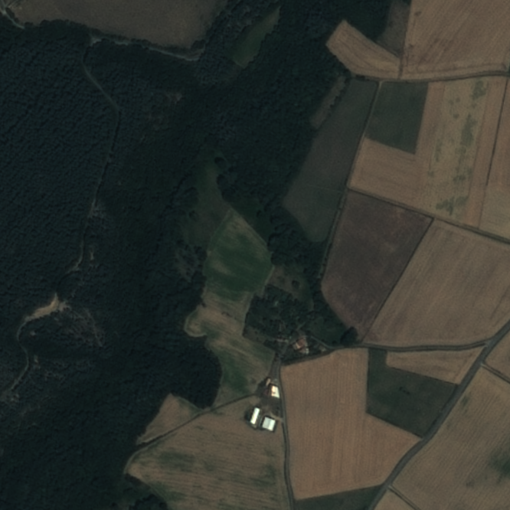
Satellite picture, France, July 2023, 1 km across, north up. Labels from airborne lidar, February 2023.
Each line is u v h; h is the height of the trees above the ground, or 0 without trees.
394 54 0
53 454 15
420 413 0
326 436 0
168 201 10
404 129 0
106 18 0
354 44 0
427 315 0
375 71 0
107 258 18
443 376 0
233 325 0
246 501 0
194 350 9
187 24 0
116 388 22
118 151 19
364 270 0
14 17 9
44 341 23
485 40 0
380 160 0
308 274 15
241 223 0
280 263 14
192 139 33
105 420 19
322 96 12
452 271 0
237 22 24
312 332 7
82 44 14
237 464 0
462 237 0
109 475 19
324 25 27
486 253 0
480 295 0
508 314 0
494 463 0
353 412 0
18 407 17
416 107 0
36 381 21
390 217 0
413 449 0
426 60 0
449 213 0
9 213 20
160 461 0
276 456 0
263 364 0
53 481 10
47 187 24
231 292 0
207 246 0
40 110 22
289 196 0
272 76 22
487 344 0
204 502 0
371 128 0
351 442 0
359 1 6
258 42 0
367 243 0
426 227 0
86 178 24
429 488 0
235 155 16
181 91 12
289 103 15
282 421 0
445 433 0
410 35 0
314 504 0
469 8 0
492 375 0
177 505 0
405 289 0
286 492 0
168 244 25
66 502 14
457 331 0
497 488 0
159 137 18
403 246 0
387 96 0
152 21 0
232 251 0
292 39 23
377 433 0
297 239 19
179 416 0
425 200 0
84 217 19
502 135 0
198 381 16
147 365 22
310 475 0
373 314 0
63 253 20
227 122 24
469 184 0
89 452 19
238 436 0
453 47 0
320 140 0
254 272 0
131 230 21
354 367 0
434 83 0
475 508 0
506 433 0
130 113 19
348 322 0
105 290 17
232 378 0
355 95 0
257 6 23
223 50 23
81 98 22
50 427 23
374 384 0
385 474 0
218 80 20
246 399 0
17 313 19
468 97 0
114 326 16
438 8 0
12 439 19
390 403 0
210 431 0
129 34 0
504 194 0
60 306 0
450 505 0
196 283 15
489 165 0
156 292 13
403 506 0
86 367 18
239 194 23
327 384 0
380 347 0
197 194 18
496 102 0
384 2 10
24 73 22
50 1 0
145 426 10
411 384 0
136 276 24
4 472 35
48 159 22
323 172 0
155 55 16
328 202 0
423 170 0
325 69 18
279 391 0
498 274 0
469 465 0
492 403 0
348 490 0
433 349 0
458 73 0
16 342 22
